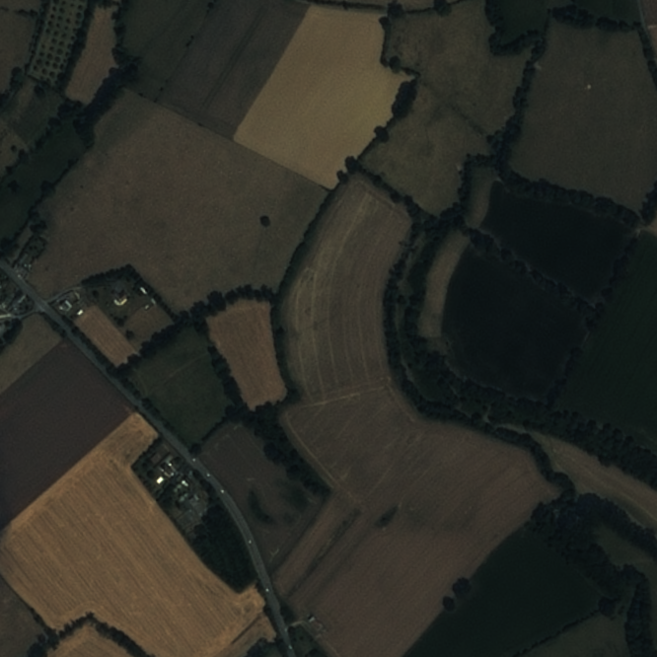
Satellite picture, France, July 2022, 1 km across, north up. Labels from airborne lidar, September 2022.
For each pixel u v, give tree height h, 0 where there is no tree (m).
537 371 0
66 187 0
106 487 0
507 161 21
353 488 0
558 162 0
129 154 0
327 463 0
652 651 30
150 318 0
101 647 0
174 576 0
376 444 0
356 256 0
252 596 0
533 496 0
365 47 0
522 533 0
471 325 0
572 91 0
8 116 0
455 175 0
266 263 0
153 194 0
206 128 0
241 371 0
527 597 0
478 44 0
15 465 0
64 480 0
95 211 0
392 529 0
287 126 0
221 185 0
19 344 0
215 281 0
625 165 0
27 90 0
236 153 0
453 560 0
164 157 0
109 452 0
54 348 0
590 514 39
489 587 0
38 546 0
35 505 0
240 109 0
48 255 0
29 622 0
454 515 0
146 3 0
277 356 7
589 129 0
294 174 0
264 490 0
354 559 0
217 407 0
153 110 0
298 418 0
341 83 0
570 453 0
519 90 10
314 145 0
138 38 0
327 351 0
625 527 36
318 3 7
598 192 0
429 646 0
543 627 0
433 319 0
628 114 0
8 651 0
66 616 0
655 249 0
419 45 0
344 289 0
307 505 0
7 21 0
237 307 0
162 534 0
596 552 28
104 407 0
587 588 0
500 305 0
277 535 0
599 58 0
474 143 0
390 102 0
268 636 0
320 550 0
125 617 0
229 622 0
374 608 0
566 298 26
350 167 18
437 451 0
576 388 0
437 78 0
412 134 0
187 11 0
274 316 11
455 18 0
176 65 0
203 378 0
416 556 0
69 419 0
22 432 0
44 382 0
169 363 0
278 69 0
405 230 0
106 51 0
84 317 0
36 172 0
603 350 0
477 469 0
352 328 0
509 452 0
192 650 0
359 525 0
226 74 0
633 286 0
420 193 0
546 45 7
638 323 0
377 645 0
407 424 0
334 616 0
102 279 10
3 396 0
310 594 0
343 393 0
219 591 0
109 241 0
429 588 0
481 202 0
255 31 0
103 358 10
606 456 16
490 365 0
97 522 0
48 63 7
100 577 0
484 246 22
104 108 21
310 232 10
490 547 0
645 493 0
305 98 0
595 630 0
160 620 0
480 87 0
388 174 0
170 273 0
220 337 0
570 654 0
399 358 14
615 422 0
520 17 0
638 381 0
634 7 0
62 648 0
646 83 0
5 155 0
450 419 10
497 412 10
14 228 0
